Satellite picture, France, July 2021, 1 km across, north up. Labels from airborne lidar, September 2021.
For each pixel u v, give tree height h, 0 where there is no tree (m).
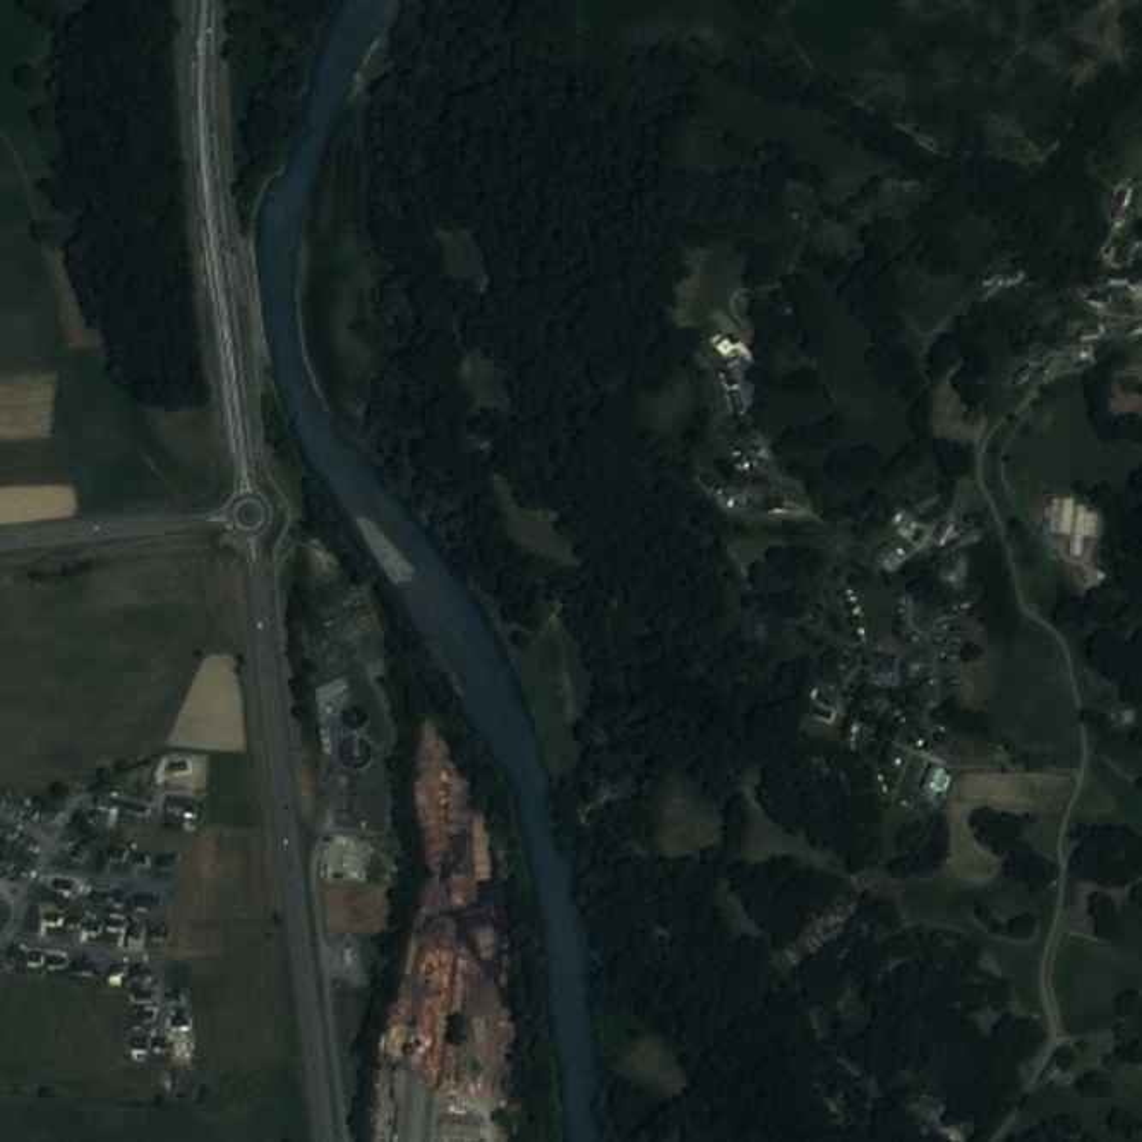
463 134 11
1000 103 0
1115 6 0
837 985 16
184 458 0
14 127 0
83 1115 0
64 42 16
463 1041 22
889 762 7
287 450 14
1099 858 13
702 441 13
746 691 22
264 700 0
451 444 25
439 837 0
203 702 0
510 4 11
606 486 22
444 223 23
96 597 0
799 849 0
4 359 0
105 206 18
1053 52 0
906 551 0
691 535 14
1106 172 11
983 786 0
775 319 16
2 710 0
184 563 0
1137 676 14
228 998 0
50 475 0
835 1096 17
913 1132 17
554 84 8
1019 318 16
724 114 0
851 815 13
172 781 0
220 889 0
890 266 12
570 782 14
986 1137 18
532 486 16
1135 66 10
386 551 0
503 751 0
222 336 0
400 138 18
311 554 0
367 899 0
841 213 8
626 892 13
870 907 12
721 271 0
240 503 0
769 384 17
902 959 15
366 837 0
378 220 16
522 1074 7
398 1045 0
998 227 14
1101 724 9
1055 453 0
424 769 0
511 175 17
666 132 16
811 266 13
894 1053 10
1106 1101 13
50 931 0
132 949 0
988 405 7
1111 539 14
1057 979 0
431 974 0
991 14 0
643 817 16
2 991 0
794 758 15
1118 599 23
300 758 0
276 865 0
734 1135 20
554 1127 13
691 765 19
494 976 0
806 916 12
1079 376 0
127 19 26
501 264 23
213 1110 0
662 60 12
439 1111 0
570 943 0
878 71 0
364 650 0
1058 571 0
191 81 0
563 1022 0
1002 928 10
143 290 18
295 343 0
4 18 0
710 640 26
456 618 0
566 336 17
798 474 19
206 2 0
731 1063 25
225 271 0
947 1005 17
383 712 0
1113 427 18
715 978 19
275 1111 0
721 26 0
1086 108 12
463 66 13
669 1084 0
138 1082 0
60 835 0
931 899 0
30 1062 0
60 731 0
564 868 0
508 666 0
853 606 9
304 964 0
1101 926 15
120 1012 0
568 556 0
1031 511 0
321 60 0
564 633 0
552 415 28
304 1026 0
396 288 20
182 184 13
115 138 16
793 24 0
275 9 9
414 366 27
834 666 14
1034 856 10
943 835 9
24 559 0
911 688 10
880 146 14
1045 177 8
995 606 13
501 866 0
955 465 22
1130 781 0
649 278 12
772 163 13
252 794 0
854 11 0
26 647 0
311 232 7
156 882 0
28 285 0
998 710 0
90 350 0
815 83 10
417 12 6
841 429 18
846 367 0
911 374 22
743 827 18
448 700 13
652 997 19
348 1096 0
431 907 0
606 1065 11
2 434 0
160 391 40
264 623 0
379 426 21
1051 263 13
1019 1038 10
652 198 20
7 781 0
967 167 13
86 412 0
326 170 7
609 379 24
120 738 0
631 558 24
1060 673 0
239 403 0
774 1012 19
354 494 0
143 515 0
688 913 14
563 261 20
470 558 22
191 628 0
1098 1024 0
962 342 22
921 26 0
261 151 26
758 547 0
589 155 14
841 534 0
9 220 0
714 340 0
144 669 0
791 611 23
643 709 19
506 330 22
